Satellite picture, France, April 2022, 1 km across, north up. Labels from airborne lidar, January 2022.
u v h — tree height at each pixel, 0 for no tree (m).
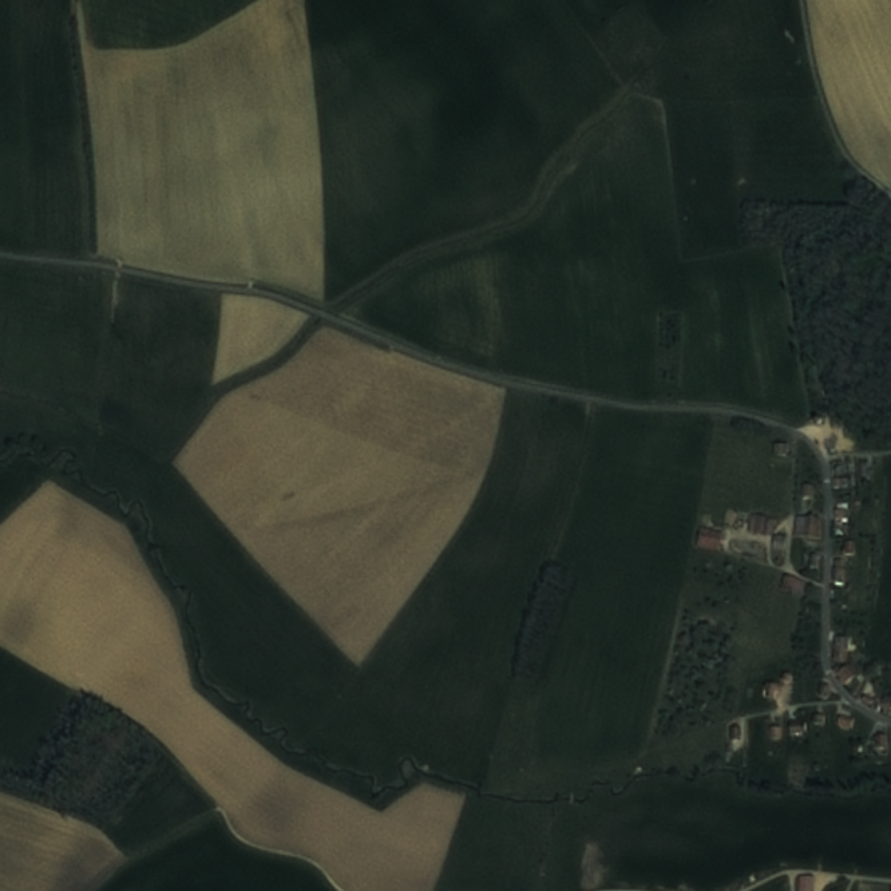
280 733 0
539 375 0
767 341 0
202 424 0
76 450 0
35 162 0
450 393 0
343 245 0
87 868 0
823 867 0
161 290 0
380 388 0
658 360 0
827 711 0
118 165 0
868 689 0
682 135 0
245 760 0
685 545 0
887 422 27
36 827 0
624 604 0
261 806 0
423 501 0
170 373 0
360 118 0
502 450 0
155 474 0
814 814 0
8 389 0
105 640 0
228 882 0
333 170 0
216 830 0
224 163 0
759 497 0
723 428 0
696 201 0
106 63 0
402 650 0
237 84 0
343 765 0
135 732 26
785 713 0
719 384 0
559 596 21
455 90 0
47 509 0
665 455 0
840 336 25
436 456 0
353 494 0
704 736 0
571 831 0
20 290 0
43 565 0
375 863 0
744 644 0
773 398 0
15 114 0
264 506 0
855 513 0
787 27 0
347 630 0
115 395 0
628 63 0
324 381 0
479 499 0
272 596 0
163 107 0
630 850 0
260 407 0
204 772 0
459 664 0
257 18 0
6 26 0
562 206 0
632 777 6
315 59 0
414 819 0
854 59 0
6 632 0
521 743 0
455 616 0
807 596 9
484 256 0
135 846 0
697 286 0
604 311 0
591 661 0
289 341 0
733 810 0
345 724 0
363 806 0
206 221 0
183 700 0
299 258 0
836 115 0
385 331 0
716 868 0
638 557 0
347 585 0
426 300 0
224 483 0
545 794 0
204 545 0
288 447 0
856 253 25
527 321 0
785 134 0
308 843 0
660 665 0
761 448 0
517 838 0
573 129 0
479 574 0
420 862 0
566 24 0
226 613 0
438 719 0
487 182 0
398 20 0
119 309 0
